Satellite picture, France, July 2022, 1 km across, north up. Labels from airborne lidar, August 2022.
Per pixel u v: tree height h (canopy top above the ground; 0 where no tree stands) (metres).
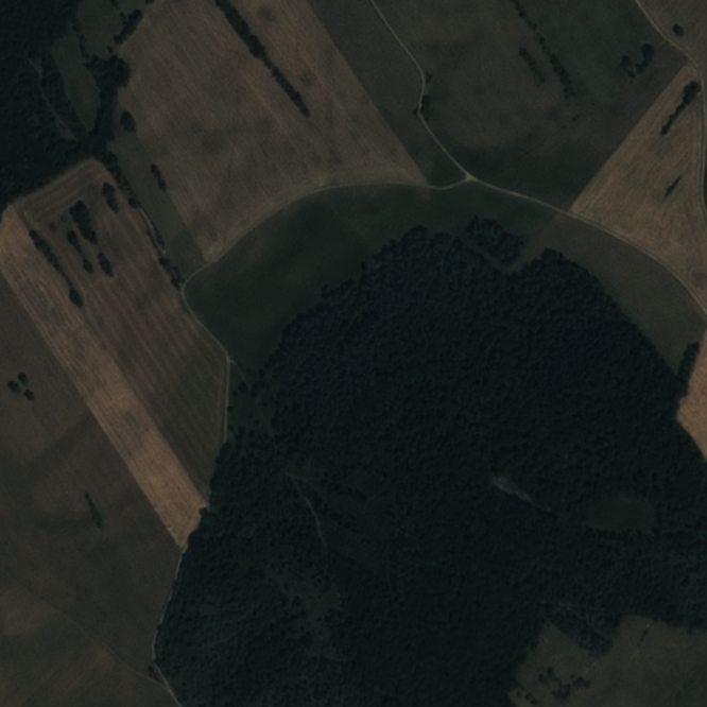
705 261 0
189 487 0
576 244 0
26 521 0
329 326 20
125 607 0
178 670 12
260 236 0
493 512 20
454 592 20
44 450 0
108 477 0
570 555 20
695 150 0
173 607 8
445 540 17
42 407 0
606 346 22
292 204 0
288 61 0
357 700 12
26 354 0
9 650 0
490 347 11
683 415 0
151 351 0
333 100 0
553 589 17
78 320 0
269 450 13
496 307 24
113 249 0
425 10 0
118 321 0
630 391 23
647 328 0
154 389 0
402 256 16
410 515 21
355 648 17
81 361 0
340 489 13
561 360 24
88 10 0
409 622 18
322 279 0
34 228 0
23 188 8
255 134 0
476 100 0
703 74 0
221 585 14
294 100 12
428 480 19
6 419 0
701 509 20
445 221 0
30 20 18
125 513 0
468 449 16
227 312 0
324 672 14
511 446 13
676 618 14
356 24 0
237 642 7
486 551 16
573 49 0
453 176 0
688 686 0
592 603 25
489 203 0
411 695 11
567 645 0
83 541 0
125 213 0
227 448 11
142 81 0
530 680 0
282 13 0
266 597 9
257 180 0
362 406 24
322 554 10
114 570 0
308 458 22
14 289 0
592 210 0
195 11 0
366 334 24
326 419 23
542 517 23
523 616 17
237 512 11
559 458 28
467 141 0
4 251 0
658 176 0
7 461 0
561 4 0
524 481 26
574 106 0
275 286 0
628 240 0
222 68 0
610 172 0
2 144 15
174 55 0
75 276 0
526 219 0
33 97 6
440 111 0
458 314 24
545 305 20
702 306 0
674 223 0
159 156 0
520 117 0
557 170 0
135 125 11
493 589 22
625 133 0
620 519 0
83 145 12
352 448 21
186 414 0
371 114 0
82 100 0
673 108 0
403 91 0
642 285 0
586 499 28
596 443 13
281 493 18
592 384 24
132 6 0
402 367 25
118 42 12
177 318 0
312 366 20
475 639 19
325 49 0
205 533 12
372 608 13
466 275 20
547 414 27
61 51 0
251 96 0
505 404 17
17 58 16
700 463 26
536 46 0
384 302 22
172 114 0
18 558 0
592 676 0
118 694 0
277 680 17
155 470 0
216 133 0
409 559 19
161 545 0
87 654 0
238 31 10
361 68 0
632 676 0
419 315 26
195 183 0
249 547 14
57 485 0
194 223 0
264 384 11
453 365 21
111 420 0
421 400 19
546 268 21
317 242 0
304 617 12
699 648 0
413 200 0
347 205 0
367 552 0
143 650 0
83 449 0
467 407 20
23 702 0
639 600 12
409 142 0
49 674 0
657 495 25
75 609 0
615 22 0
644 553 16
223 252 0
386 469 17
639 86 0
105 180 0
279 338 0
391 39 0
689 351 8
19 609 0
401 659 14
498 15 0
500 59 0
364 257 0
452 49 0
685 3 0
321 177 0
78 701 0
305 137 0
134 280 0
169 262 10
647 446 21
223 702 7
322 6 0
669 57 0
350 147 0
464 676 15
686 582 14
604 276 0
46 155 18
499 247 21
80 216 12
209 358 0
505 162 0
